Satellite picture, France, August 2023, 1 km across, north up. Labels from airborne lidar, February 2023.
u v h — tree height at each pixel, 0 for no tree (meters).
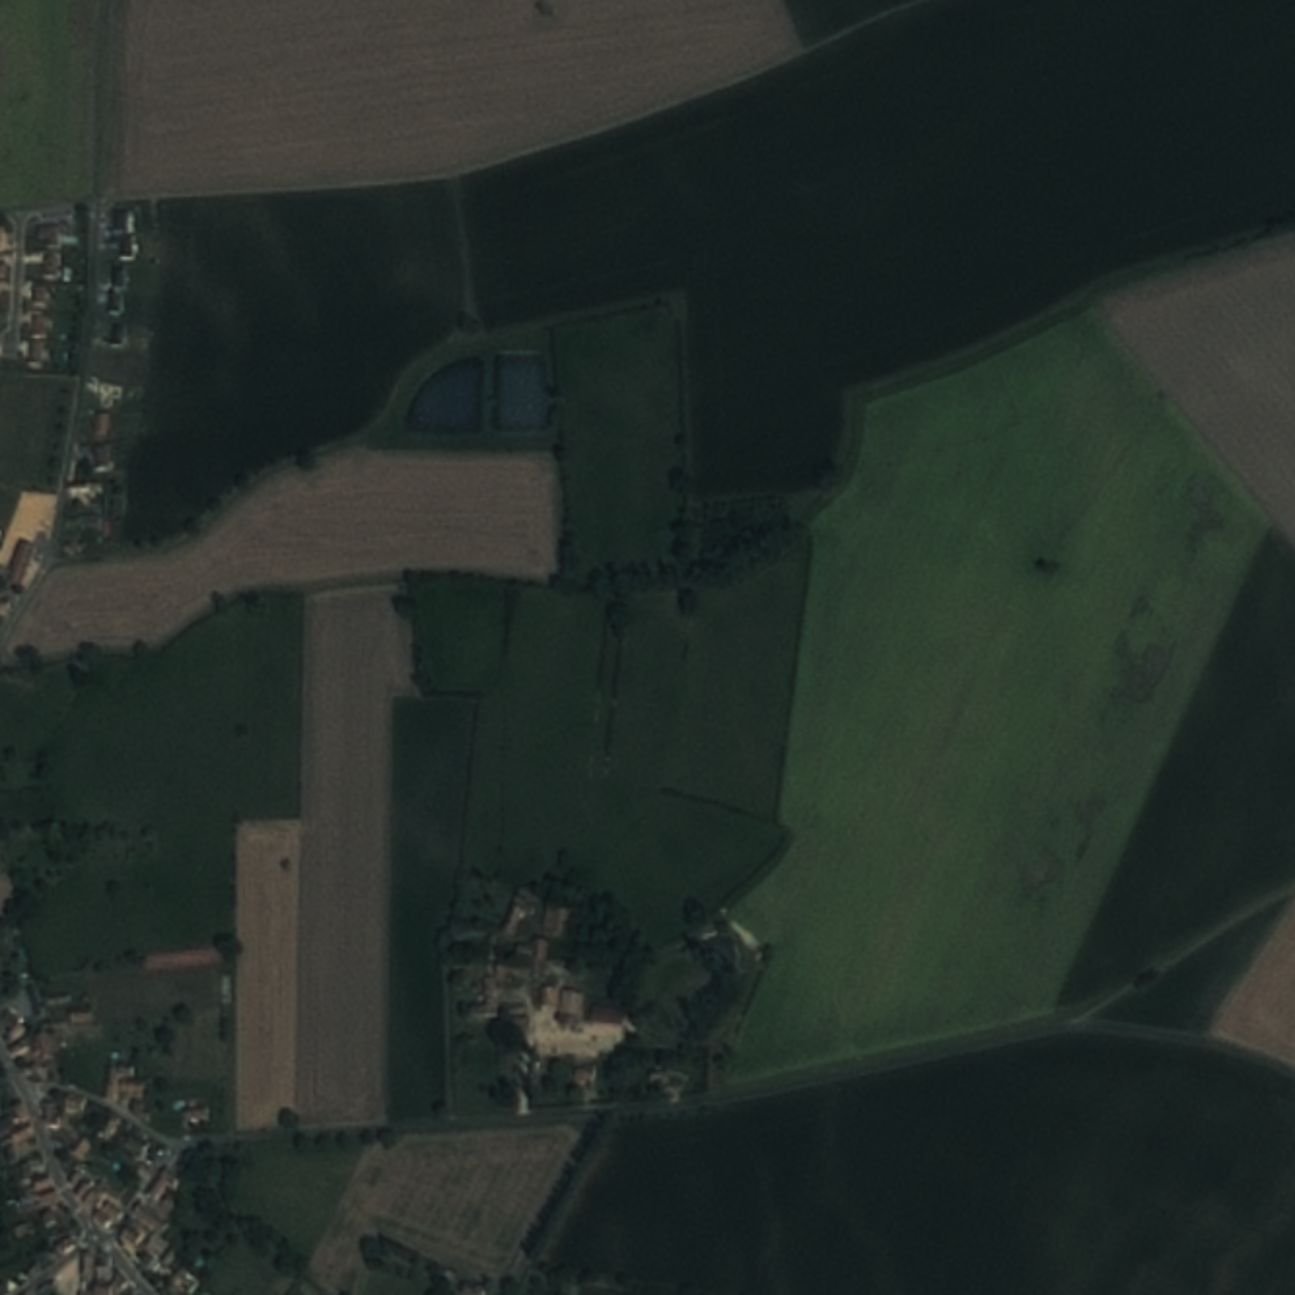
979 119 0
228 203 0
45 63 0
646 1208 0
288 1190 0
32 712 0
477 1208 0
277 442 0
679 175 0
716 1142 0
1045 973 0
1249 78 0
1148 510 0
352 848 0
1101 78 0
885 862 0
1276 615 0
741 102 0
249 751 0
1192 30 0
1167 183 0
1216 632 0
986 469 0
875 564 0
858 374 0
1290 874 0
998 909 0
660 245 0
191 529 9
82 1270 0
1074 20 0
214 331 0
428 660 18
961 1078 0
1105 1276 0
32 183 0
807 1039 0
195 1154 6
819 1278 0
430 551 0
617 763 0
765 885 0
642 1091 9
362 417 0
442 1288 10
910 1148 0
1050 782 0
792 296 0
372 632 0
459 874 6
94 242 0
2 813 0
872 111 0
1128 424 0
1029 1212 0
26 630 0
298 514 0
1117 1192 0
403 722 0
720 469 0
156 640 0
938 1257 0
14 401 0
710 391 0
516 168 0
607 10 0
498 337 0
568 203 0
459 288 0
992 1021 0
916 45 0
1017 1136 0
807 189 0
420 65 0
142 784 0
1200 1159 0
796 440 0
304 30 0
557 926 0
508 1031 16
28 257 0
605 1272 0
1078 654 0
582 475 0
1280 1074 0
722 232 0
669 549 0
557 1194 0
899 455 0
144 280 0
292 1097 0
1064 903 0
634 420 0
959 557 0
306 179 0
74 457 0
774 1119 0
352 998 0
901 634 0
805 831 0
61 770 0
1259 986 0
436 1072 0
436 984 0
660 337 0
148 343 0
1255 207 0
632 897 0
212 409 0
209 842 0
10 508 0
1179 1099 0
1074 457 0
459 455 0
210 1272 9
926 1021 0
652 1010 7
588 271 0
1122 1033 0
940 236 0
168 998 0
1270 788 0
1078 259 0
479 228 0
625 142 0
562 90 0
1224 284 0
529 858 0
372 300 0
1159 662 0
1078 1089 0
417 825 0
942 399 0
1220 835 0
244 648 0
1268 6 0
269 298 0
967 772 0
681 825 0
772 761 0
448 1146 0
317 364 0
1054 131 0
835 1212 0
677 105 0
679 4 0
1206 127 0
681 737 0
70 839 9
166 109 0
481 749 0
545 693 0
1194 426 0
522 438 0
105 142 0
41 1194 0
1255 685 0
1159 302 0
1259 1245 0
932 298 0
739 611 0
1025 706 0
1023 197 0
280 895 0
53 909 0
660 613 0
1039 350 0
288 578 0
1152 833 0
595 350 0
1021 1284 0
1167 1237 0
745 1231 0
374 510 0
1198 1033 0
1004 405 0
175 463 0
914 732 0
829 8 0
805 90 0
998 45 0
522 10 0
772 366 0
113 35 0
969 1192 0
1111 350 0
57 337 0
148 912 0
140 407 0
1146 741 0
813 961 0
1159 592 0
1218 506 0
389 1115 0
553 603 0
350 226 0
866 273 0
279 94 0
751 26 0
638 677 0
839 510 0
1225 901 0
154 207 0
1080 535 0
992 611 0
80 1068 0
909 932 0
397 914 0
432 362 0
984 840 0
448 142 0
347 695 0
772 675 0
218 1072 0
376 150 0
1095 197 0
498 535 0
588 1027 0
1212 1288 0
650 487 0
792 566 0
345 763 0
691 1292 8
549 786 0
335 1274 0
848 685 0
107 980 0
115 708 0
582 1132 0
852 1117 0
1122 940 0
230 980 0
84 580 0
